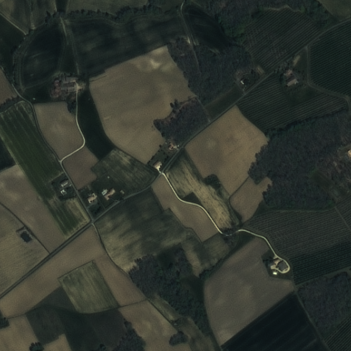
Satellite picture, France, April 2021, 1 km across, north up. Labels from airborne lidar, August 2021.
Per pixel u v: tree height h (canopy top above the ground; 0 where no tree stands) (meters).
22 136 0
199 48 13
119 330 0
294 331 0
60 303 0
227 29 21
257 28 7
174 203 0
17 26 0
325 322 13
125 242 0
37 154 0
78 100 0
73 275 0
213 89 17
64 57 0
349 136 19
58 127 0
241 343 0
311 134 19
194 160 0
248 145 0
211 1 0
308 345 0
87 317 0
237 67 19
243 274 0
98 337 0
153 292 20
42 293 0
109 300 0
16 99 11
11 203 0
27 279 0
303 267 6
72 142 0
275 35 6
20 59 0
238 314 0
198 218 0
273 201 20
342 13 0
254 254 0
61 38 0
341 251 6
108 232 0
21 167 0
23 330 0
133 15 22
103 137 0
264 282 0
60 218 0
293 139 16
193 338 0
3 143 0
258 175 24
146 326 0
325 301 8
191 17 0
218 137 0
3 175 0
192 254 0
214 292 0
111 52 0
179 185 0
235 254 0
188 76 16
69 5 0
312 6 21
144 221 0
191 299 15
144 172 0
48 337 0
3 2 0
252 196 0
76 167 0
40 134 0
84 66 0
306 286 12
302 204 16
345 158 0
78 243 0
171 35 0
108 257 0
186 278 13
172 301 15
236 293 0
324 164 17
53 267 0
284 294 0
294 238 6
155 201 0
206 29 0
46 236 0
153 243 0
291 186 13
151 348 0
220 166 0
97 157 0
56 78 0
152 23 0
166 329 0
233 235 18
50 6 0
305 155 15
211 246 0
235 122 0
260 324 0
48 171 0
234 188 0
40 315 0
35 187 0
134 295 0
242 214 0
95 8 0
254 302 0
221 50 0
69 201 0
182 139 17
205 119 18
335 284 16
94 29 0
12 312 0
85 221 0
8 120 0
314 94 0
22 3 0
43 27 7
